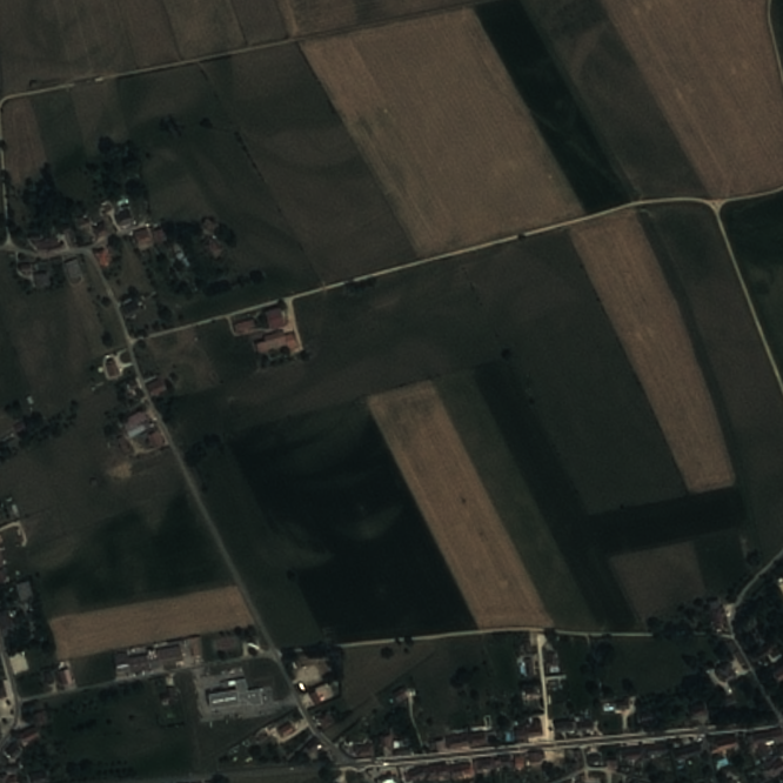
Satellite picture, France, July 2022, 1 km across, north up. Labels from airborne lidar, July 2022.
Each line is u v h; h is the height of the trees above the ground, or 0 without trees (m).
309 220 0
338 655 19
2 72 0
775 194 0
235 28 0
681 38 0
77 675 0
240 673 0
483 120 0
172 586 0
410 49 0
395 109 0
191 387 0
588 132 0
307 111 0
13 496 0
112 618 0
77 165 0
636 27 0
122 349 0
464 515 0
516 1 0
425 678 0
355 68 0
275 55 0
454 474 0
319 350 0
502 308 0
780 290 0
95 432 0
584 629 0
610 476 0
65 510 0
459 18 0
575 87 0
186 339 0
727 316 0
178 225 9
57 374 0
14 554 0
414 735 6
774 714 17
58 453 0
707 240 0
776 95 0
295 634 0
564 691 0
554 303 0
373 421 0
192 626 0
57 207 13
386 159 0
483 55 0
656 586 0
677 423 0
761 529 0
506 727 15
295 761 6
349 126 0
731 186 0
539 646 0
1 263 0
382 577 0
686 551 0
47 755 7
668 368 0
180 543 0
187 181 0
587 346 0
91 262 0
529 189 0
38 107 0
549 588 0
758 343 0
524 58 0
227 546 0
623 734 0
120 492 0
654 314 0
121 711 0
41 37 0
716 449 0
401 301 0
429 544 0
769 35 0
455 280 0
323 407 0
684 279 0
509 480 0
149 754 0
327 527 0
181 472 0
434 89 0
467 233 0
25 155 0
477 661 0
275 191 0
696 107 0
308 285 0
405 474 0
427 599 0
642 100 0
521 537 0
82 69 0
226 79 0
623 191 0
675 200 0
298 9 0
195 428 0
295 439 0
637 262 0
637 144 0
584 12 0
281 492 0
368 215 0
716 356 0
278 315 0
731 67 0
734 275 0
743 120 0
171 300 0
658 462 0
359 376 0
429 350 0
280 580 0
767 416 0
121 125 0
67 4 0
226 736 0
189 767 0
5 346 0
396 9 0
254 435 0
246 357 0
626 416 0
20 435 13
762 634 15
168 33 0
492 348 0
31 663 0
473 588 0
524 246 0
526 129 0
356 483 0
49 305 0
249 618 0
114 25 0
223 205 0
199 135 0
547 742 0
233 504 0
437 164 0
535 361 0
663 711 14
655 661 0
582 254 0
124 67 0
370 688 0
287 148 0
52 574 0
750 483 0
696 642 28
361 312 0
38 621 12
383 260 0
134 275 0
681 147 0
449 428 0
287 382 0
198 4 0
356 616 0
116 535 0
